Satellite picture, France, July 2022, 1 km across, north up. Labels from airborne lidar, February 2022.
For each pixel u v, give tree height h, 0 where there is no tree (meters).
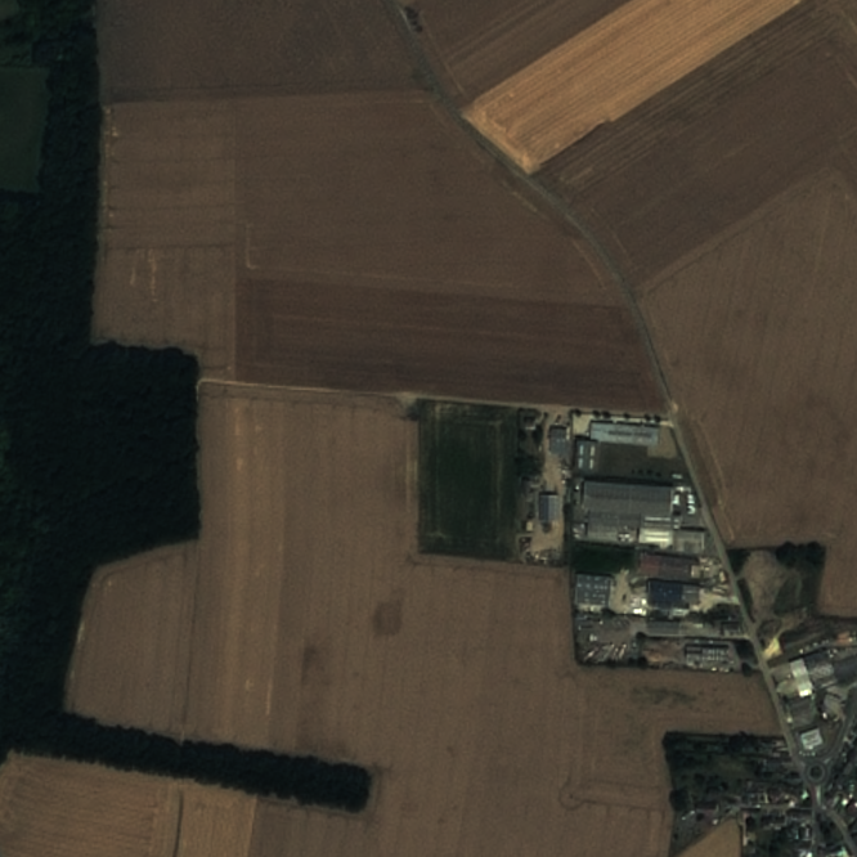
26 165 0
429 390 0
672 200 0
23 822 0
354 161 0
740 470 0
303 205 0
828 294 0
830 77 0
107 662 0
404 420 0
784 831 9
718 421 0
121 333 0
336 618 0
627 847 0
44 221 21
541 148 0
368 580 0
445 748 0
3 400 18
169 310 0
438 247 0
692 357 0
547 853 0
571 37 0
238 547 0
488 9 0
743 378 0
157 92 0
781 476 0
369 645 0
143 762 15
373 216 0
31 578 19
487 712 0
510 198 0
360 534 0
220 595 0
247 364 0
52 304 21
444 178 0
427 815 0
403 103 0
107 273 0
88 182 21
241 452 0
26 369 14
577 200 0
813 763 0
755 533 0
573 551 0
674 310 0
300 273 0
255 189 0
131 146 0
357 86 0
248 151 0
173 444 26
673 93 0
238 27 0
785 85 0
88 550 25
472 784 0
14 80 0
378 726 0
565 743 0
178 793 0
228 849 0
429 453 0
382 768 0
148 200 0
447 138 0
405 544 0
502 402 0
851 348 0
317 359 0
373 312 0
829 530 0
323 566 0
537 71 0
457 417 0
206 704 0
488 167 0
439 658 0
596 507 0
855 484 0
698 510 0
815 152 0
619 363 0
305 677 0
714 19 0
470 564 0
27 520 22
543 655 0
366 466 0
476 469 0
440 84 0
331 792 21
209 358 0
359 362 0
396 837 0
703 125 0
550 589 0
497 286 0
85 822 0
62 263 22
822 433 0
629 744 0
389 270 0
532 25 0
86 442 22
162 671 0
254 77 0
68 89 15
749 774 0
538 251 0
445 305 0
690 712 0
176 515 22
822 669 0
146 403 21
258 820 0
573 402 0
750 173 0
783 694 0
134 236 0
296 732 0
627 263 0
